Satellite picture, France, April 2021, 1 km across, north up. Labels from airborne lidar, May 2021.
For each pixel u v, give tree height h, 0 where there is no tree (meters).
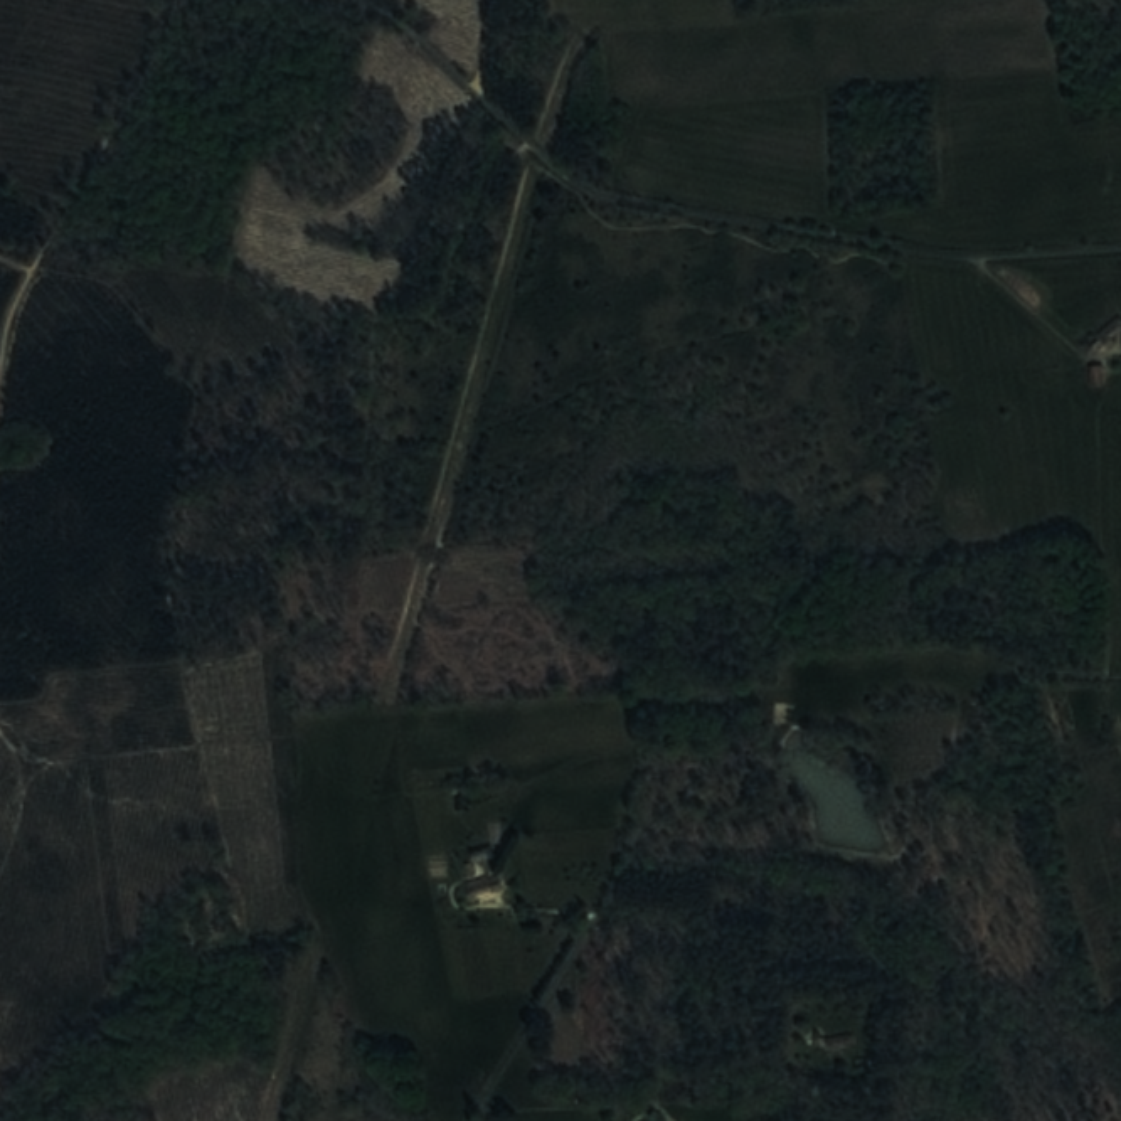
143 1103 12
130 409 9
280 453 27
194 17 17
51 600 7
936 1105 14
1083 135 0
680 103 0
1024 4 0
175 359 14
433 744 0
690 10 0
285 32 21
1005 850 15
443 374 6
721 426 14
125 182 18
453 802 0
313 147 16
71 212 15
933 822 14
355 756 0
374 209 0
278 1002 11
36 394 8
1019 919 17
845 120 12
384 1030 0
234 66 21
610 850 0
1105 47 20
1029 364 0
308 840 0
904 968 23
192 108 19
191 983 15
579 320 0
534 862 0
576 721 0
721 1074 16
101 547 7
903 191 13
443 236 23
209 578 27
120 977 20
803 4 14
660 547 21
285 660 16
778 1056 25
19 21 0
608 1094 27
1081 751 0
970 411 0
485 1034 0
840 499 6
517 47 12
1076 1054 19
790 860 21
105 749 0
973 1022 12
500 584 0
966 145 0
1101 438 0
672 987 19
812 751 18
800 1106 12
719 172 0
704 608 20
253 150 22
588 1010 12
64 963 0
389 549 12
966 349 0
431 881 0
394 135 12
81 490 8
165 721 0
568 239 0
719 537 24
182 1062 23
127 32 0
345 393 16
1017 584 18
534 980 0
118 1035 22
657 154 0
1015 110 0
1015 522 0
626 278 0
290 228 0
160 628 8
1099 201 0
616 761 0
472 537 12
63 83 0
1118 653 0
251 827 0
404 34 11
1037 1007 14
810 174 0
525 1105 0
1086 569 27
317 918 0
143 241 19
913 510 8
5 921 0
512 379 0
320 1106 10
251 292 20
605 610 22
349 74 17
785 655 26
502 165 16
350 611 15
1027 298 0
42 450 14
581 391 8
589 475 11
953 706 12
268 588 29
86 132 0
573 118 12
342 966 0
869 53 0
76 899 0
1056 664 22
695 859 18
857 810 0
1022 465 0
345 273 0
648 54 0
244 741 0
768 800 25
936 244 0
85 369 8
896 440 8
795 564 27
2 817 0
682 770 7
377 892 0
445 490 0
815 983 25
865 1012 10
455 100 0
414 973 0
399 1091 22
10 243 20
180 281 0
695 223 0
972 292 0
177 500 18
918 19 0
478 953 0
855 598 28
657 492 25
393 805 0
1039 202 0
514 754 0
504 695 8
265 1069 21
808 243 7
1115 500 0
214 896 13
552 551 9
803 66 0
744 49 0
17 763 0
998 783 19
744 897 14
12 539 9
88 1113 28
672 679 25
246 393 23
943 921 19
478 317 10
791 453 6
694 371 7
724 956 28
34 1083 22
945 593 24
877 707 13
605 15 0
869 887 27
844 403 0
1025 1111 12
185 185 20
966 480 0
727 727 23
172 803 0
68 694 0
